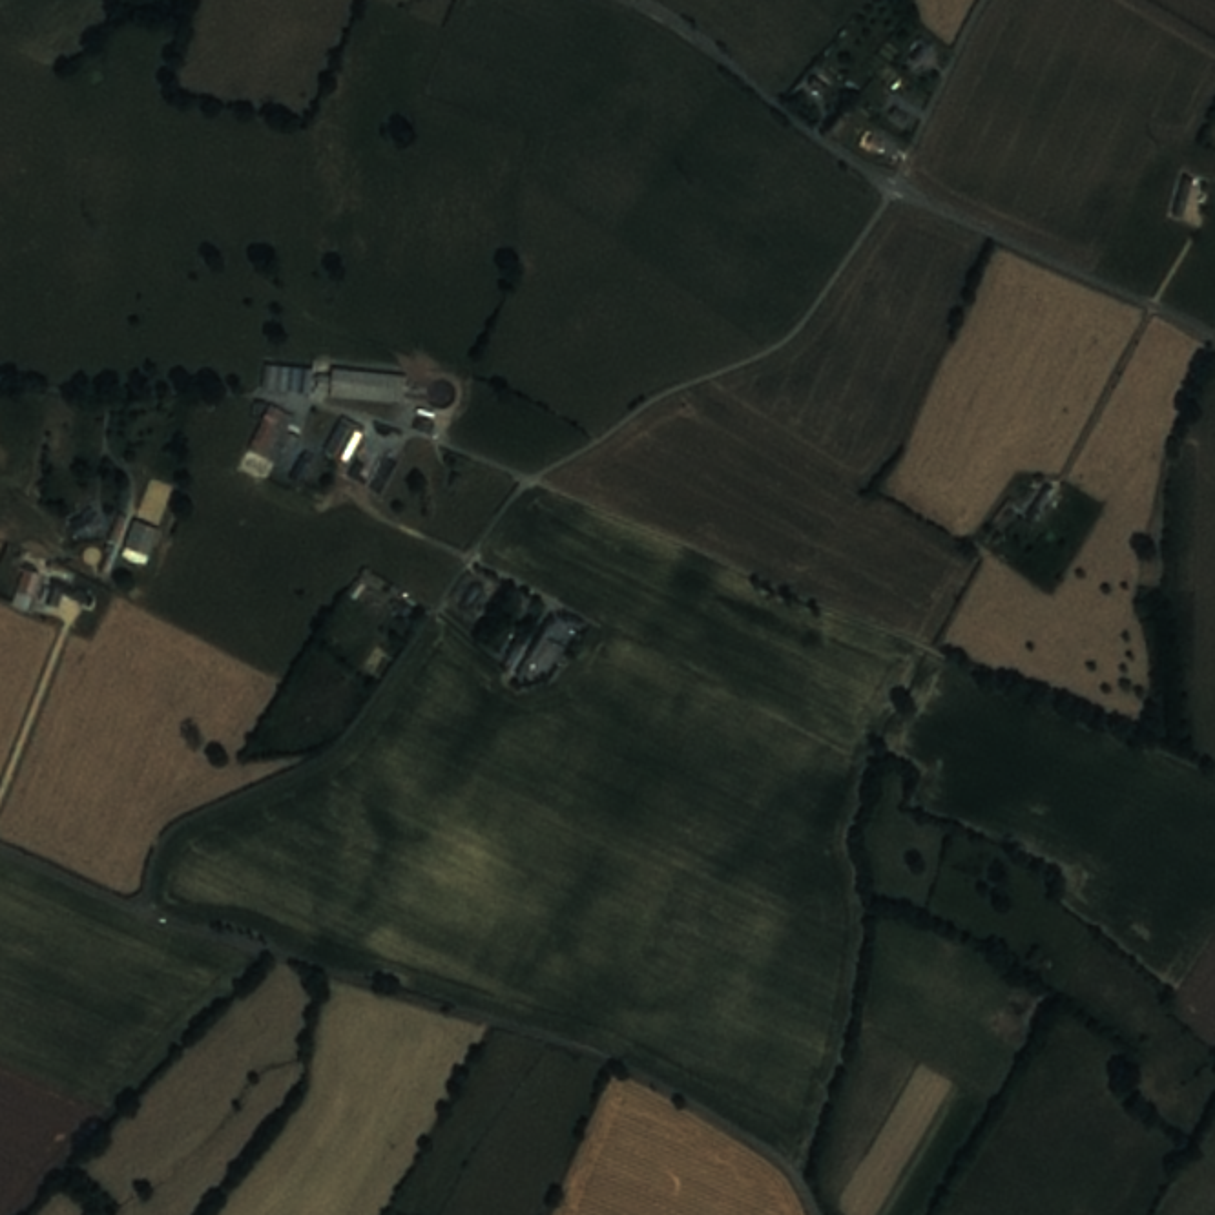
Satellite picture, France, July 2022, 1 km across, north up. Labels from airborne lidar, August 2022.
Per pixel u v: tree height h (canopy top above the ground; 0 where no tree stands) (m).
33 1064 0
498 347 0
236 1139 0
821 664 0
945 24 0
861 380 0
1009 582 0
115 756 0
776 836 0
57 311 0
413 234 0
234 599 0
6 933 0
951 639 0
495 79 0
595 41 0
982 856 0
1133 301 0
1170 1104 0
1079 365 0
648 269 0
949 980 0
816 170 0
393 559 0
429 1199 0
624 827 0
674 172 0
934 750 0
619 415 0
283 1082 0
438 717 0
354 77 0
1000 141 0
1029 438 0
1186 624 0
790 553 0
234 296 0
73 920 0
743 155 0
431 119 0
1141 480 0
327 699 0
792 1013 0
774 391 0
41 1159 0
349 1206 0
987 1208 0
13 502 0
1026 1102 0
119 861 0
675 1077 0
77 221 0
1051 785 0
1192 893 0
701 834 0
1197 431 0
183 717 0
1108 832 0
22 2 0
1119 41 0
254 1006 0
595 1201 0
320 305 0
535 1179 0
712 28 0
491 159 0
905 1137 0
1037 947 6
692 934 0
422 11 0
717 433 0
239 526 0
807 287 0
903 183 0
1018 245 0
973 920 0
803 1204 0
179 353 0
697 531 0
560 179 0
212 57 0
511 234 0
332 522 0
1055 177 0
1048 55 0
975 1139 10
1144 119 0
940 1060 0
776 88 0
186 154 0
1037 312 0
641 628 0
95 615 0
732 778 0
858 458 0
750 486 0
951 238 0
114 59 0
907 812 8
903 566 0
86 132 0
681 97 0
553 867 0
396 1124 0
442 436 0
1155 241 0
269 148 0
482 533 0
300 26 0
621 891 0
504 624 11
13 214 0
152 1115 0
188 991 0
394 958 0
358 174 0
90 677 0
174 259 0
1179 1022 7
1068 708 18
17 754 0
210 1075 0
